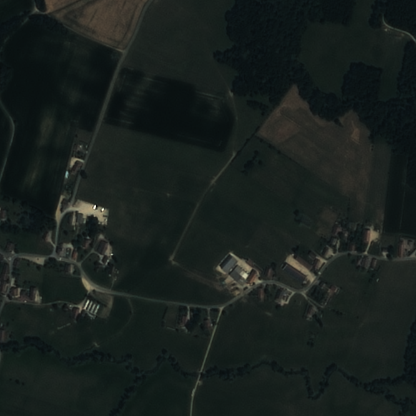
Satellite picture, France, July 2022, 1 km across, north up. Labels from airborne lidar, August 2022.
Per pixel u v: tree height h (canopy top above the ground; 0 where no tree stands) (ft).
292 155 0
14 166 0
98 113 0
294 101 0
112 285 0
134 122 0
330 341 0
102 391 0
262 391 0
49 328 0
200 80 0
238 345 0
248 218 0
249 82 76
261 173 0
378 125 64
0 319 0
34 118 0
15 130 0
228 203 0
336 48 0
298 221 43
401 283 0
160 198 0
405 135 37
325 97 35
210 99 0
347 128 0
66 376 0
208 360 0
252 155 0
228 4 0
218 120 0
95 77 0
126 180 0
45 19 63
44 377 0
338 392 0
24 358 0
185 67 0
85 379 0
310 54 0
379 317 0
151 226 0
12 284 0
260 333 0
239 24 85
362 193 0
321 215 0
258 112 0
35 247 0
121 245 0
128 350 0
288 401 0
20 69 0
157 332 0
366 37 0
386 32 0
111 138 0
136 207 0
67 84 0
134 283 0
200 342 0
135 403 0
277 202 0
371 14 0
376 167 0
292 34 79
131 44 0
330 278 0
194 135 0
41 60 0
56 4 0
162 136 0
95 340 0
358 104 71
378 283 0
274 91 46
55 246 0
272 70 44
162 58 0
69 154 0
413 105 86
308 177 0
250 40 74
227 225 0
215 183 0
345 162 0
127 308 0
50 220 50
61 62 0
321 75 0
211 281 0
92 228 59
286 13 76
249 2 62
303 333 0
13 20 55
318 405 0
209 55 0
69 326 0
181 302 0
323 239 17
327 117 51
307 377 32
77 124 0
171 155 0
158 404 0
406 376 39
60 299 0
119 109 0
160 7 0
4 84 46
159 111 0
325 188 0
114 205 0
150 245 0
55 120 0
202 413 0
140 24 0
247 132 0
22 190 0
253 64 73
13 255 0
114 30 0
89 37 0
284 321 0
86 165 0
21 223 29
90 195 0
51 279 0
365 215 0
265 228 0
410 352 51
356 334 0
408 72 48
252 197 0
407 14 63
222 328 0
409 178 24
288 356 0
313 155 0
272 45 82
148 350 0
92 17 0
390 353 0
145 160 0
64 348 0
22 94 0
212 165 0
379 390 48
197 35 0
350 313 0
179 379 0
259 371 0
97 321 0
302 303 0
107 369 0
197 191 0
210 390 0
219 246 0
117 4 0
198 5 0
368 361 0
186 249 0
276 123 0
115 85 0
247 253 0
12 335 26
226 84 0
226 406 0
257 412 0
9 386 0
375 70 62
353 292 0
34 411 0
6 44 0
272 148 27
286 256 0
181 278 0
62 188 0
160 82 0
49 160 0
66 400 0
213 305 0
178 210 0
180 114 0
